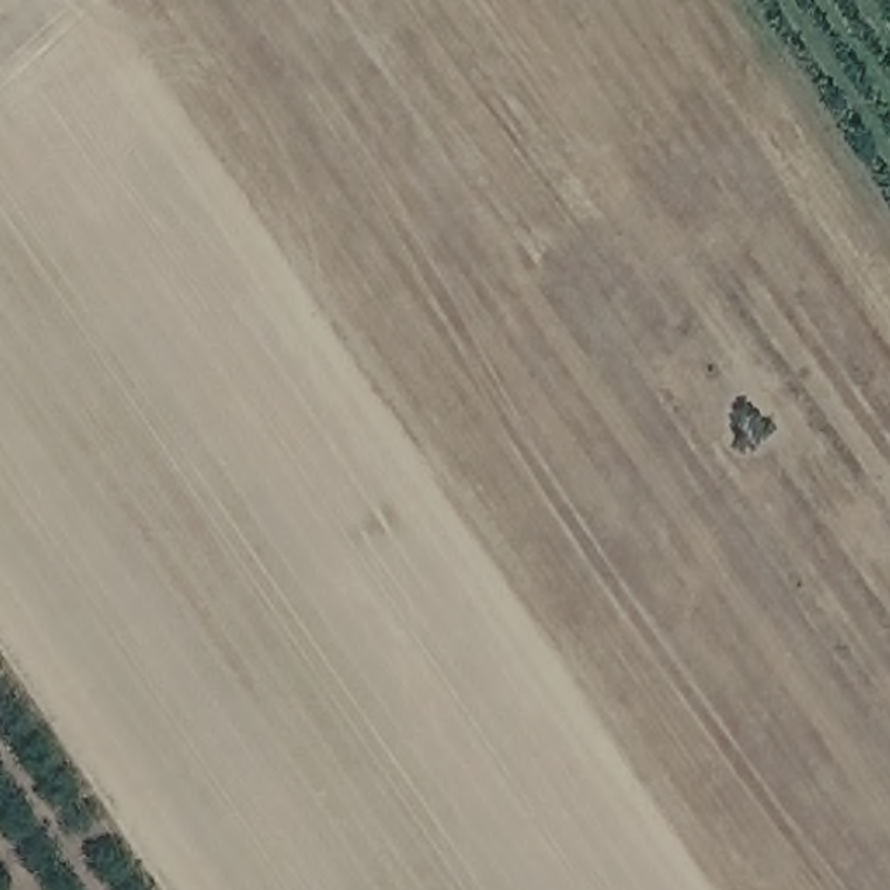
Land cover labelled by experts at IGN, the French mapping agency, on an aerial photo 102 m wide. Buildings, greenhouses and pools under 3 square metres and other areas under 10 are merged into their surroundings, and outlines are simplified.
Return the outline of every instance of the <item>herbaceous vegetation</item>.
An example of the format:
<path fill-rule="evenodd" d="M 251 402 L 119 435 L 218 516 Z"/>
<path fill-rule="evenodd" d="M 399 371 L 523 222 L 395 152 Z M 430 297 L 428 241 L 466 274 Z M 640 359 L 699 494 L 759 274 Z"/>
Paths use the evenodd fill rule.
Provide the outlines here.
<path fill-rule="evenodd" d="M 104 810 L 80 831 L 66 831 L 59 810 L 35 789 L 31 772 L 0 737 L 0 765 L 21 789 L 35 820 L 45 824 L 49 841 L 56 845 L 59 859 L 73 869 L 83 890 L 108 890 L 87 866 L 83 841 L 118 834 L 115 820 Z"/>
<path fill-rule="evenodd" d="M 35 873 L 24 869 L 17 848 L 0 834 L 0 890 L 42 890 Z"/>

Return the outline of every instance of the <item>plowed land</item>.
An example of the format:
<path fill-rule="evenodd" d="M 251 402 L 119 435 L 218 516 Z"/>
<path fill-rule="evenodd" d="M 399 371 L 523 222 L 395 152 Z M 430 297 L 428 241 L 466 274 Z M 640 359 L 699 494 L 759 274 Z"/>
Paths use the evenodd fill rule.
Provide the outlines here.
<path fill-rule="evenodd" d="M 814 90 L 810 76 L 800 70 L 793 49 L 768 28 L 765 10 L 754 0 L 149 0 L 149 10 L 167 24 L 170 42 L 198 38 L 212 52 L 212 66 L 202 73 L 202 83 L 181 111 L 188 118 L 195 111 L 205 111 L 223 129 L 233 160 L 247 167 L 247 181 L 261 184 L 264 205 L 278 195 L 285 195 L 289 202 L 313 202 L 309 226 L 320 247 L 320 268 L 327 285 L 334 278 L 355 282 L 358 309 L 348 320 L 362 330 L 379 365 L 393 375 L 393 382 L 414 407 L 417 421 L 428 428 L 428 438 L 442 452 L 448 469 L 473 487 L 487 518 L 501 528 L 501 539 L 483 546 L 487 560 L 497 567 L 511 594 L 521 601 L 521 608 L 542 633 L 560 622 L 570 629 L 574 664 L 584 661 L 588 668 L 594 668 L 601 674 L 605 695 L 615 699 L 615 706 L 636 723 L 650 758 L 664 768 L 678 796 L 699 817 L 681 838 L 681 845 L 706 876 L 706 883 L 716 890 L 890 890 L 890 205 L 880 184 L 873 181 L 869 167 L 845 143 L 834 115 Z M 734 400 L 751 400 L 765 417 L 772 417 L 772 435 L 761 438 L 754 448 L 734 445 Z"/>

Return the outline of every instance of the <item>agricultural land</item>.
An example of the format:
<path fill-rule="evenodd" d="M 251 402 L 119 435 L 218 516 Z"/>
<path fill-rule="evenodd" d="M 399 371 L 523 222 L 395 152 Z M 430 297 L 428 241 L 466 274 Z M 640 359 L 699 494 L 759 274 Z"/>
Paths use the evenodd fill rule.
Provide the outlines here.
<path fill-rule="evenodd" d="M 542 633 L 521 608 L 521 601 L 511 594 L 497 567 L 487 560 L 483 546 L 501 539 L 501 528 L 487 518 L 473 487 L 448 469 L 442 452 L 428 438 L 428 428 L 417 421 L 414 407 L 393 382 L 393 375 L 379 365 L 362 330 L 348 320 L 358 309 L 355 282 L 334 278 L 327 285 L 320 268 L 320 247 L 309 226 L 313 202 L 289 202 L 285 195 L 278 195 L 264 205 L 261 184 L 247 181 L 247 167 L 233 160 L 223 129 L 205 111 L 195 111 L 188 118 L 181 111 L 202 83 L 202 73 L 212 66 L 212 52 L 198 38 L 170 42 L 167 24 L 149 10 L 149 0 L 0 0 L 0 668 L 10 671 L 10 678 L 31 699 L 38 716 L 52 727 L 59 747 L 76 765 L 90 796 L 104 810 L 115 820 L 118 834 L 156 890 L 716 890 L 706 883 L 706 876 L 681 845 L 681 838 L 699 817 L 678 796 L 664 768 L 650 758 L 636 723 L 615 706 L 615 699 L 605 695 L 601 674 L 594 668 L 588 668 L 584 661 L 574 664 L 570 629 L 560 622 Z"/>

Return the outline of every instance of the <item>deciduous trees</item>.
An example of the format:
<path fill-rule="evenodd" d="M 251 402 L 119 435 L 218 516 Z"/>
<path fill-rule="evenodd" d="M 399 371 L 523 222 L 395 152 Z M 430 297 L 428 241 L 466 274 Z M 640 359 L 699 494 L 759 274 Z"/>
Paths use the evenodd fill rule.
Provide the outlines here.
<path fill-rule="evenodd" d="M 38 716 L 31 699 L 10 678 L 10 671 L 0 668 L 0 737 L 31 772 L 35 789 L 59 810 L 66 831 L 80 831 L 104 810 L 90 796 L 76 765 L 59 747 L 52 727 Z"/>
<path fill-rule="evenodd" d="M 751 400 L 734 400 L 734 445 L 754 448 L 761 438 L 772 435 L 772 417 L 765 417 Z"/>
<path fill-rule="evenodd" d="M 810 76 L 814 90 L 834 115 L 845 143 L 869 167 L 873 181 L 880 184 L 890 205 L 890 0 L 754 0 L 765 10 L 768 28 L 793 49 L 800 70 Z"/>
<path fill-rule="evenodd" d="M 118 834 L 83 841 L 87 866 L 108 890 L 156 890 Z"/>
<path fill-rule="evenodd" d="M 59 859 L 56 845 L 49 841 L 45 824 L 35 820 L 21 789 L 0 765 L 0 834 L 17 848 L 24 869 L 35 873 L 42 890 L 83 890 L 73 869 Z"/>

